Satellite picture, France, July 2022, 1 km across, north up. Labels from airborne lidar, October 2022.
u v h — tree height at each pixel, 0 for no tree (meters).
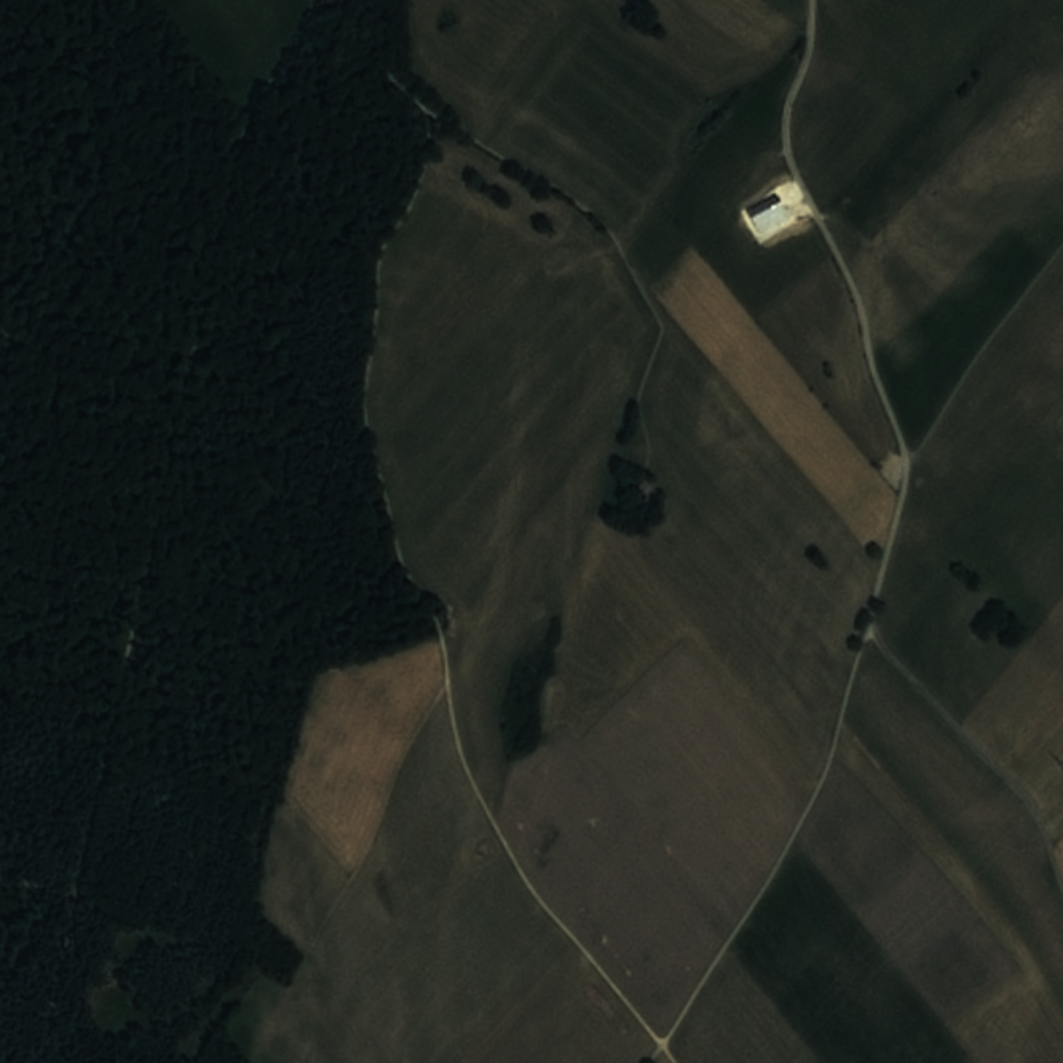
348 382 20
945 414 0
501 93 0
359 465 26
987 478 0
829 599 0
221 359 30
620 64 0
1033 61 0
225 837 19
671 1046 0
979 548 0
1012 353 0
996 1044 0
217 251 19
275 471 20
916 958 0
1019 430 0
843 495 0
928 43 0
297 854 0
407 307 0
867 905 0
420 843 0
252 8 0
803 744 0
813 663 0
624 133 0
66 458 30
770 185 0
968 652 0
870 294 0
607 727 0
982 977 0
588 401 0
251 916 17
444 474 0
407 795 0
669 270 0
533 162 0
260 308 26
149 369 29
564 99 0
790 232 0
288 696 20
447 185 0
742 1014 0
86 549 28
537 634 0
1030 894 0
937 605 0
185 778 19
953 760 0
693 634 0
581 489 0
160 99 21
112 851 19
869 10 0
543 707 0
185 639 32
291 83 8
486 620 0
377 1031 0
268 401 26
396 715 0
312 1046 0
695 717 0
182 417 25
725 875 0
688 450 0
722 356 0
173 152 26
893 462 0
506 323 0
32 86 28
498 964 0
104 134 24
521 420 0
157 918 17
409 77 20
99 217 28
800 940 0
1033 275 0
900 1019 0
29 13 33
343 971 0
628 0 0
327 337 21
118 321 23
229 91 11
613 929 0
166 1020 19
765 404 0
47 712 31
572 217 0
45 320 25
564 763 0
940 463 0
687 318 0
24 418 29
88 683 30
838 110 0
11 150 29
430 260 0
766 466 0
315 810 0
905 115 0
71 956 26
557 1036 0
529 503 0
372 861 0
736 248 0
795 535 0
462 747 0
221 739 23
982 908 0
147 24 23
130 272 23
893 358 0
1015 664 0
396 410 0
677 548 0
